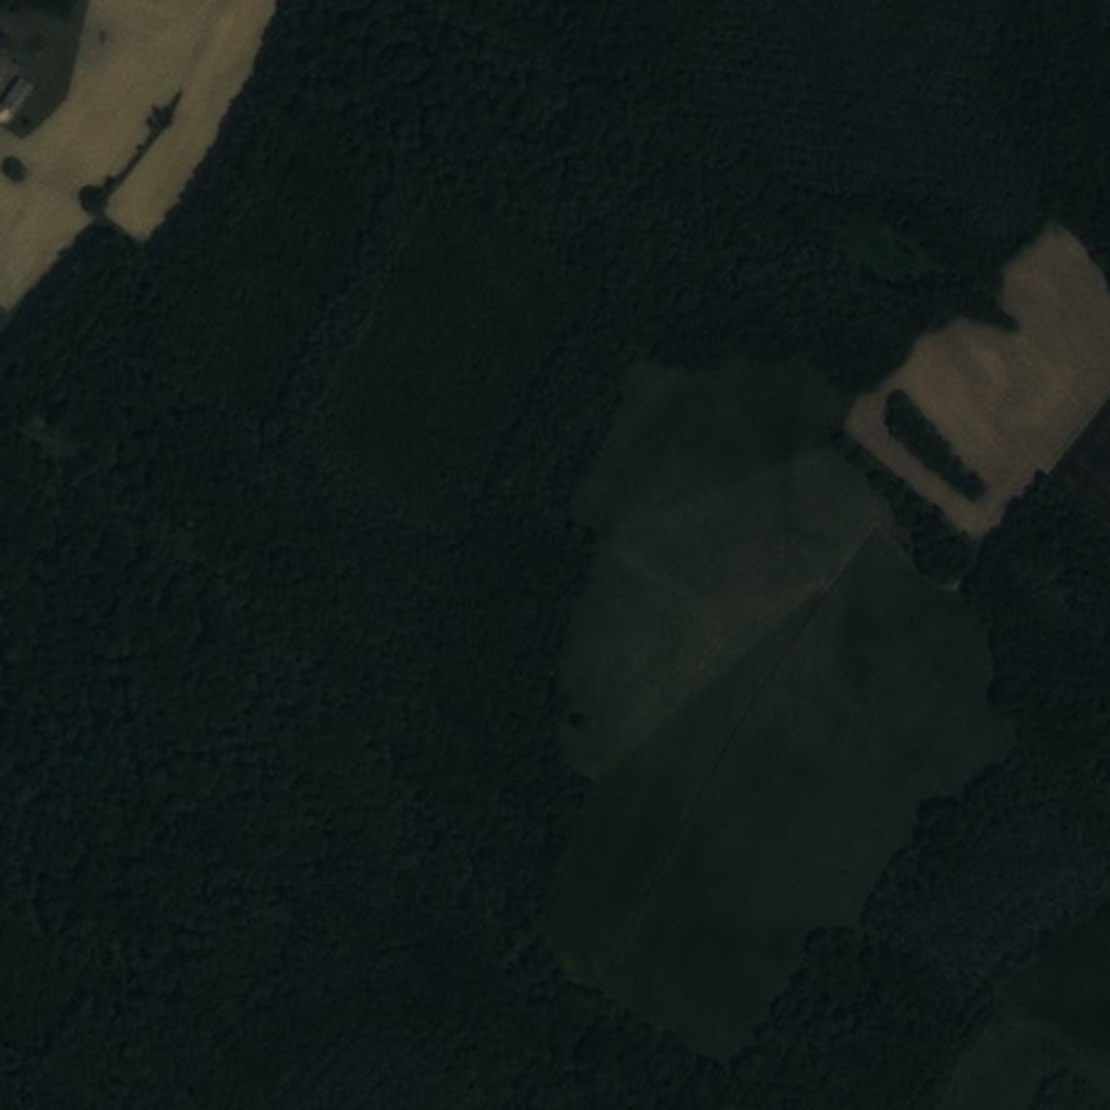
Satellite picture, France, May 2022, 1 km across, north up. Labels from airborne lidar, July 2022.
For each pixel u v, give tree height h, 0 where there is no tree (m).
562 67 32
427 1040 11
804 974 11
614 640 0
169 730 23
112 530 33
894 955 13
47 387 25
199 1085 21
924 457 16
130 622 26
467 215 9
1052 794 10
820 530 0
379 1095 12
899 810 0
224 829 26
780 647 0
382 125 19
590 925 0
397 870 22
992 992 7
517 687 20
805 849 0
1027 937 11
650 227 18
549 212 19
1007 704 22
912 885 11
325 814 21
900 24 10
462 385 10
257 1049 21
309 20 35
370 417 11
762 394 0
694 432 0
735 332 17
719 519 0
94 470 23
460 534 14
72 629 28
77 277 27
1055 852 16
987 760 0
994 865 17
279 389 8
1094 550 8
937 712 0
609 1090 24
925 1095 8
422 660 20
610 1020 16
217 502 22
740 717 0
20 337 25
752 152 15
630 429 0
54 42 0
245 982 19
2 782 23
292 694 28
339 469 13
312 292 11
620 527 0
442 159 18
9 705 30
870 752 0
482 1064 11
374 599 17
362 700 24
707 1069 21
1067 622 24
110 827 28
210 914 20
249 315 12
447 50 38
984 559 15
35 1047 7
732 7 9
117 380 27
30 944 7
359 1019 21
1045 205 17
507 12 19
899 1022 16
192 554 26
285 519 17
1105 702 21
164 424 28
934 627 0
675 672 0
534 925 17
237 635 25
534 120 19
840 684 0
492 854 27
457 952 23
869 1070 17
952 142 16
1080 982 0
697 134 24
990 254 13
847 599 0
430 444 9
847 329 21
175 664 23
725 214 23
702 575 0
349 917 25
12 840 23
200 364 11
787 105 14
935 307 20
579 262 20
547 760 14
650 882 0
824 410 0
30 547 26
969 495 17
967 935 18
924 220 25
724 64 15
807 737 0
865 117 16
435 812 23
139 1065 19
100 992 7
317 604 19
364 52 23
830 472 0
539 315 10
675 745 0
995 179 16
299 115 25
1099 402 0
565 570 22
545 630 11
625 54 26
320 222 10
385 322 11
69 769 23
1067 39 19
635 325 19
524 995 11
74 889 28
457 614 23
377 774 24
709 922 0
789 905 0
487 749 21
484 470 13
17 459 32
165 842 25
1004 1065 0
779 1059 10
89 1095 19
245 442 20
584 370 18
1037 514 14
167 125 11
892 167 19
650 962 0
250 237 13
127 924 25
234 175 21
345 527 16
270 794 24
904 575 0
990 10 12
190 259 10
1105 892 7
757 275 23
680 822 0
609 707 0
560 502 15
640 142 20
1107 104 18
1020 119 15
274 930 21
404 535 18
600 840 0
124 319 9
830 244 11
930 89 16
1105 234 20
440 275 11
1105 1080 0
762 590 0
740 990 0
